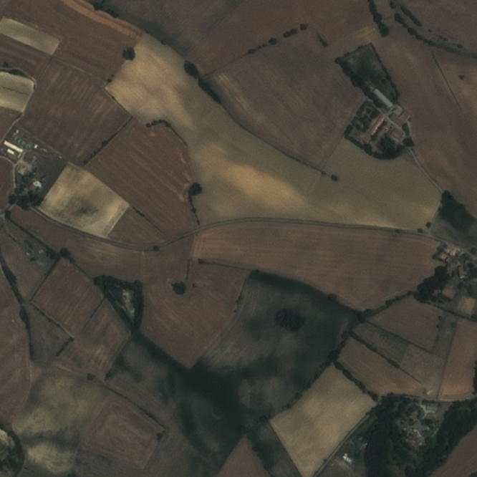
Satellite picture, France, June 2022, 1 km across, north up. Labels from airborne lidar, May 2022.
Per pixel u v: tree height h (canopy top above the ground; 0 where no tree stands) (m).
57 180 0
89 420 0
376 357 0
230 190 0
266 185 0
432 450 13
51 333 0
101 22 0
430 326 0
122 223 0
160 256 0
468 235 0
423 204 0
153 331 0
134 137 0
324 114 0
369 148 11
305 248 0
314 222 0
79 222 0
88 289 0
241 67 0
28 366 0
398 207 0
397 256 0
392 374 0
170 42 0
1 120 0
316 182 0
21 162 0
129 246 0
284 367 0
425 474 17
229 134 0
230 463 0
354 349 0
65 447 0
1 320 0
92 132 0
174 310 0
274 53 0
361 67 0
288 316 14
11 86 0
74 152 0
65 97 0
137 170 0
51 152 0
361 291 0
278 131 0
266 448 0
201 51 0
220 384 0
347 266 0
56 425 0
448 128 0
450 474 0
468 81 0
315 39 0
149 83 0
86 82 0
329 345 0
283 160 0
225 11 0
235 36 0
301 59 0
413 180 0
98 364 0
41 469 0
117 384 0
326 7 0
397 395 7
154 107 0
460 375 0
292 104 0
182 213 0
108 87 0
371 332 0
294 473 0
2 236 0
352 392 0
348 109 0
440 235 0
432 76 0
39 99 0
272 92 0
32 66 0
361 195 0
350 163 0
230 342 0
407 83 0
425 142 0
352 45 0
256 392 0
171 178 0
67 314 0
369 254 0
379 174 0
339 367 15
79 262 0
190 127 0
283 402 0
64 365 0
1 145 0
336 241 0
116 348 0
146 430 0
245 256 0
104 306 0
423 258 0
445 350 0
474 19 0
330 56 0
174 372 0
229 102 0
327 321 0
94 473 0
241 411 0
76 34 0
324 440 0
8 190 0
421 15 0
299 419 0
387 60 0
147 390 0
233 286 0
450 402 0
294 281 0
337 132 0
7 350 0
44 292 0
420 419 11
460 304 0
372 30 0
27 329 8
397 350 0
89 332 0
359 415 0
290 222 0
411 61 0
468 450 0
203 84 14
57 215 0
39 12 0
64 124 0
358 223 0
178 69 0
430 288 9
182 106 0
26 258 0
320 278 0
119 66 0
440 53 0
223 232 0
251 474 0
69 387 0
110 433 0
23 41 0
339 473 0
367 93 11
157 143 0
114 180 0
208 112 0
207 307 0
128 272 0
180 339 0
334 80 0
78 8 0
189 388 0
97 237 0
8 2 0
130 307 0
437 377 0
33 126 0
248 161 0
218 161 0
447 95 0
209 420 0
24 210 10
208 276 0
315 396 0
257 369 0
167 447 0
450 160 0
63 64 0
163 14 0
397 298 10
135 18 0
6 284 0
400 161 0
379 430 15
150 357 0
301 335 0
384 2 0
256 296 0
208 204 0
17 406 0
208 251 0
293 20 0
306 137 0
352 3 0
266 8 0
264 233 0
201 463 0
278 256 0
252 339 0
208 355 0
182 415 0
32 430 0
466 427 18
